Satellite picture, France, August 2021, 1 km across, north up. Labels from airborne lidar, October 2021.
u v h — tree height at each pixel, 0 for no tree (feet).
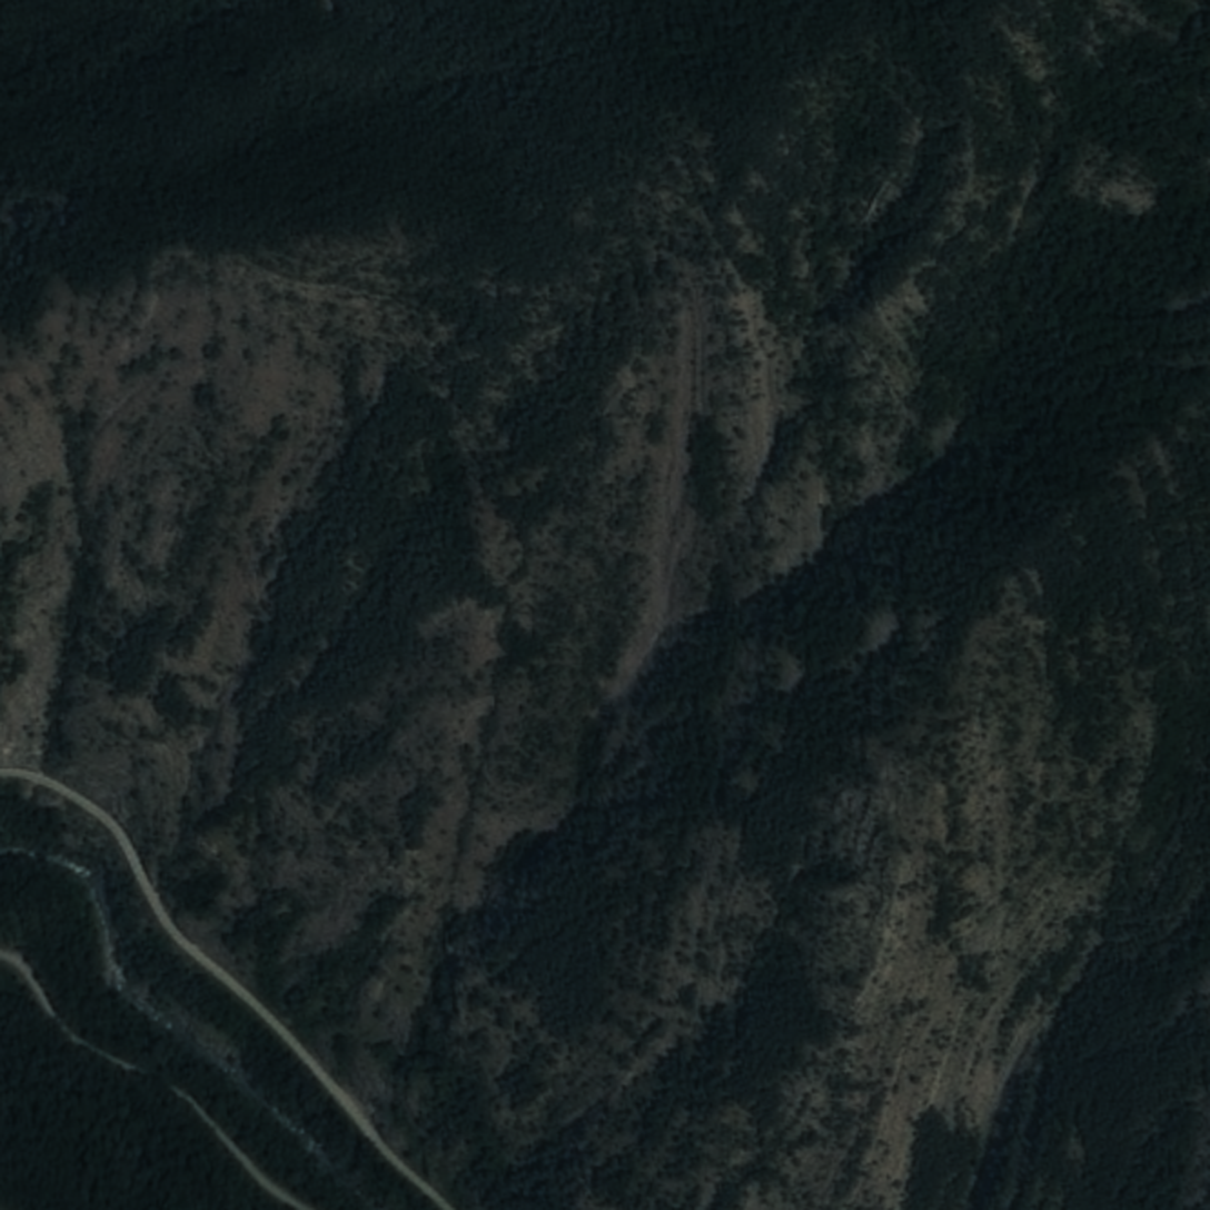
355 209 41
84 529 31
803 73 29
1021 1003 20
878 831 21
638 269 22
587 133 38
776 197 22
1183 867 21
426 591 30
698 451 28
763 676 24
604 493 18
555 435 44
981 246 30
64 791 0
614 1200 25
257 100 44
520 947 36
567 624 23
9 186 36
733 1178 19
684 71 51
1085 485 58
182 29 63
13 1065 54
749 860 26
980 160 31
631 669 0
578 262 23
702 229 19
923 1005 22
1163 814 19
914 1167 33
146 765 20
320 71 41
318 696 45
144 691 24
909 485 22
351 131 62
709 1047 28
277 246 20
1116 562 33
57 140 55
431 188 25
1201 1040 53
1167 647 18
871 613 29
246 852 36
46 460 0
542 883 40
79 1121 56
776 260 26
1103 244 49
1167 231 32
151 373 19
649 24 52
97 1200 60
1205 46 42
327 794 25
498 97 35
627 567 23
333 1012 23
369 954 22
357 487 40
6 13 66
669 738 33
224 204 57
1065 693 34
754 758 25
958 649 19
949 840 25
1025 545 45
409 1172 0
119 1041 67
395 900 25
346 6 42
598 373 27
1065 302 67
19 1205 53
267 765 36
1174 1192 34
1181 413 25
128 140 67
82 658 19
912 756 24
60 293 0
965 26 38
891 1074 34
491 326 38
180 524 20
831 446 23
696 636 28
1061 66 28
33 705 0
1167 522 38
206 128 46
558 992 39
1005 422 35
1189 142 22
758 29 53
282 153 79
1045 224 31
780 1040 41
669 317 22
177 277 22
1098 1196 48
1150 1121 29
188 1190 67
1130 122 32
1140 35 35
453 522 31
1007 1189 21
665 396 22
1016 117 26
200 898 24
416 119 45
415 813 28
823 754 32
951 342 26
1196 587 27
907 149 23
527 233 38
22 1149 72
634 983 19
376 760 34
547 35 43
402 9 44
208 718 38
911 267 19
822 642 29
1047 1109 27
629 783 27
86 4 41
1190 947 22
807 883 41
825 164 27
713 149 23
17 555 18
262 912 34
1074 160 27
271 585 28
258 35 60
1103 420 49
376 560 30
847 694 25
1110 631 22
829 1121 29
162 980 32
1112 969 37
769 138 25
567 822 29
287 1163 44
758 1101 24
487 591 23
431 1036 24
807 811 39
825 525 29
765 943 23
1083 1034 37
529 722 20
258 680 40
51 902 44
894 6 43
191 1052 34
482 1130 41
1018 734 25
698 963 22
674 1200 21
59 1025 58
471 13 47
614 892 30
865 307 29
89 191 67
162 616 36
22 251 19
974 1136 22
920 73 35
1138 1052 38
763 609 39
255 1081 50
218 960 0
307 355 19
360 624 47
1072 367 51
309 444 20
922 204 33
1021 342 44
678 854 31
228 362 0
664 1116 30
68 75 52
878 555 24
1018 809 26
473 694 19
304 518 30
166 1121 50
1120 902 27
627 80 45
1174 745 22
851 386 30
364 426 33
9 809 61
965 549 29
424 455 21
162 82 69
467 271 28
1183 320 24
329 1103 40
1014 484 52
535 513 28
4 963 0
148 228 56
